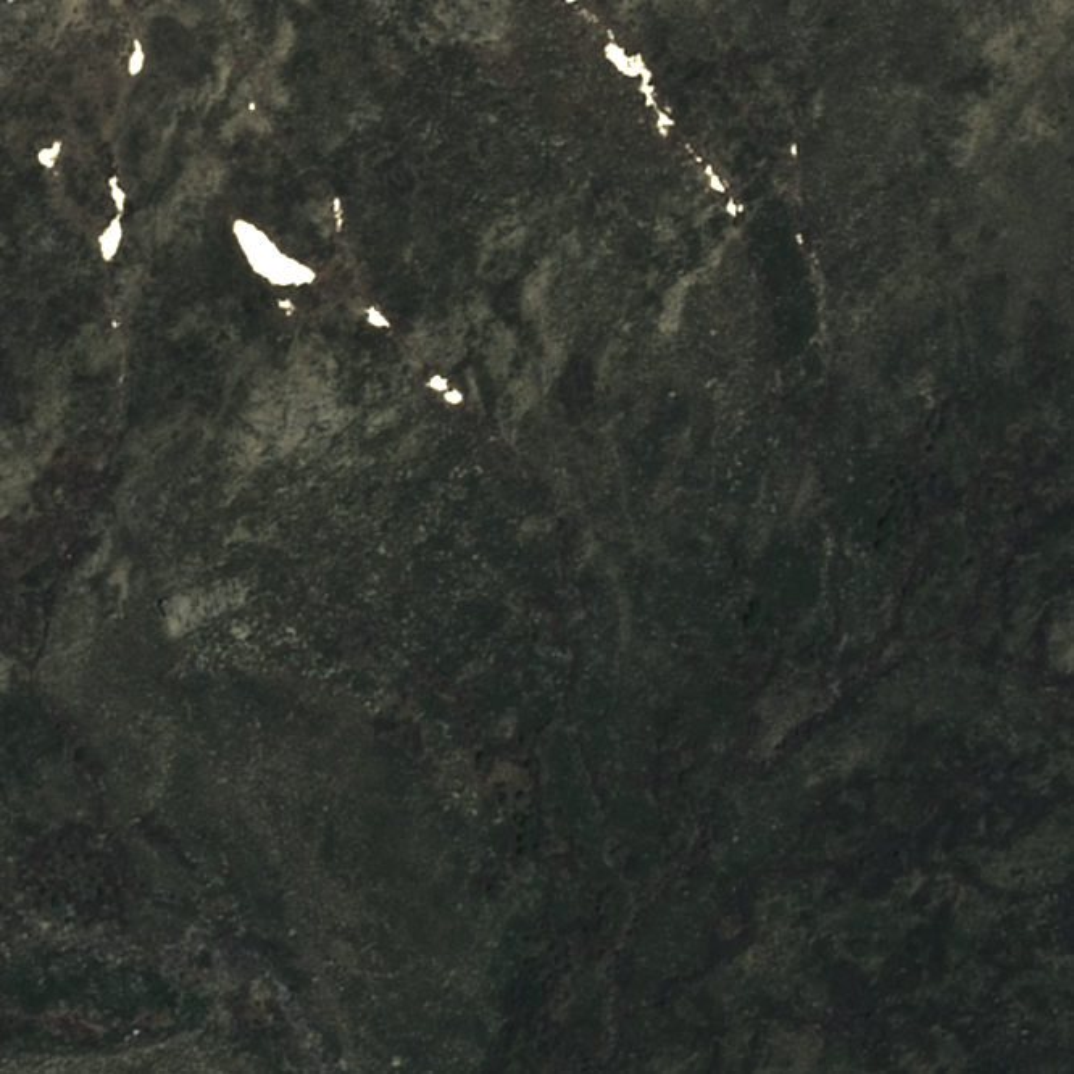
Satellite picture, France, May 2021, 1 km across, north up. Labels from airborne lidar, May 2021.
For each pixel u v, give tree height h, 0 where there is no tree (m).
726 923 0
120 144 0
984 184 0
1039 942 0
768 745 0
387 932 0
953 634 0
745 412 0
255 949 6
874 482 0
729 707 0
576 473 0
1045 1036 0
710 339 0
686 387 0
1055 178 0
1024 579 0
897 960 0
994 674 0
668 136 0
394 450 0
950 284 0
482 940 0
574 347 0
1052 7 0
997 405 0
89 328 0
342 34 0
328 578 0
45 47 0
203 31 0
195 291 0
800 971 0
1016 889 0
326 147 0
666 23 0
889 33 0
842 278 0
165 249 0
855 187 0
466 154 0
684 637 0
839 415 0
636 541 0
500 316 0
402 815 0
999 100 0
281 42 0
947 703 0
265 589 0
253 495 0
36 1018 0
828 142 0
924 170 0
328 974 0
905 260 0
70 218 0
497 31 0
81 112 0
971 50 0
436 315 0
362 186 0
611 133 0
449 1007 0
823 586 0
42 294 0
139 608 0
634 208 0
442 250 0
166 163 0
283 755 0
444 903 0
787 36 0
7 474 0
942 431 12
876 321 0
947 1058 0
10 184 0
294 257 0
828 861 0
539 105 0
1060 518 0
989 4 0
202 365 0
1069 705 0
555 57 0
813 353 0
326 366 0
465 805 0
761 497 0
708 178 0
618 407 0
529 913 0
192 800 0
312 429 0
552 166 0
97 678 0
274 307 0
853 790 0
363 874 0
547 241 0
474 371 0
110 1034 0
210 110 0
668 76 0
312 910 0
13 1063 0
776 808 0
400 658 0
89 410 0
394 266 0
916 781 0
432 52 0
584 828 0
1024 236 0
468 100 0
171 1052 0
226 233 0
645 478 0
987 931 0
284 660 0
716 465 0
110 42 0
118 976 0
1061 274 0
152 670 0
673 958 0
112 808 0
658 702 0
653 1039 0
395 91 0
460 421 0
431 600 0
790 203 0
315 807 0
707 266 0
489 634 0
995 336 0
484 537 0
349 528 0
